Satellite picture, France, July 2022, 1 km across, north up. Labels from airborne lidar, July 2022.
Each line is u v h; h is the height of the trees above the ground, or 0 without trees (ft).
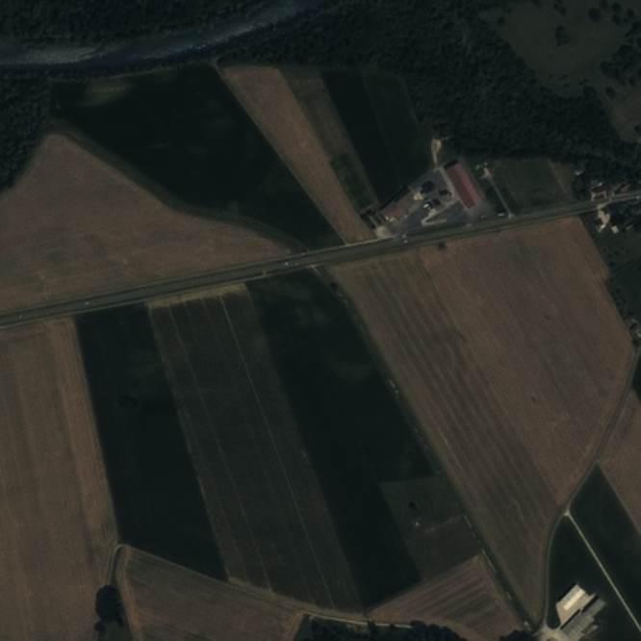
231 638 0
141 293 0
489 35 26
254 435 0
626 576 0
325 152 0
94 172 0
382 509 0
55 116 0
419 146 0
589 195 38
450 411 0
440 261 0
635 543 0
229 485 0
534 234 0
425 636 111
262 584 0
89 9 75
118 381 0
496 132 26
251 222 0
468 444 0
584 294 0
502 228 0
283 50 36
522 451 0
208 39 0
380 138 0
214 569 0
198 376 0
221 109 0
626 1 0
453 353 0
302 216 0
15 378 0
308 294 0
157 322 0
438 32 23
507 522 0
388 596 0
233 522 0
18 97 43
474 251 0
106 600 82
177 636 0
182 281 0
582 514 0
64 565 0
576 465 0
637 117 0
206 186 0
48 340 0
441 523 0
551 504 0
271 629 0
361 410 0
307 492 0
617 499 0
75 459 0
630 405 0
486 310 0
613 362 0
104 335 0
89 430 0
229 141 0
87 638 0
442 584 0
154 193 0
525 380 0
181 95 0
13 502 0
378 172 0
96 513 0
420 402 0
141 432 0
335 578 0
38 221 0
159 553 0
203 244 0
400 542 0
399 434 0
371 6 50
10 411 0
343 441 0
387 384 0
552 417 0
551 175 0
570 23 0
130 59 0
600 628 0
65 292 0
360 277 0
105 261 0
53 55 0
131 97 0
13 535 0
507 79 29
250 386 0
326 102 0
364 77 0
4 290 0
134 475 0
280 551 0
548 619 0
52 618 0
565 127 38
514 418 0
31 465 0
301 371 0
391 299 0
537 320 0
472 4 34
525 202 0
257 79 0
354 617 0
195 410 0
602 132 43
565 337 0
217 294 0
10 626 0
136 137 0
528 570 0
